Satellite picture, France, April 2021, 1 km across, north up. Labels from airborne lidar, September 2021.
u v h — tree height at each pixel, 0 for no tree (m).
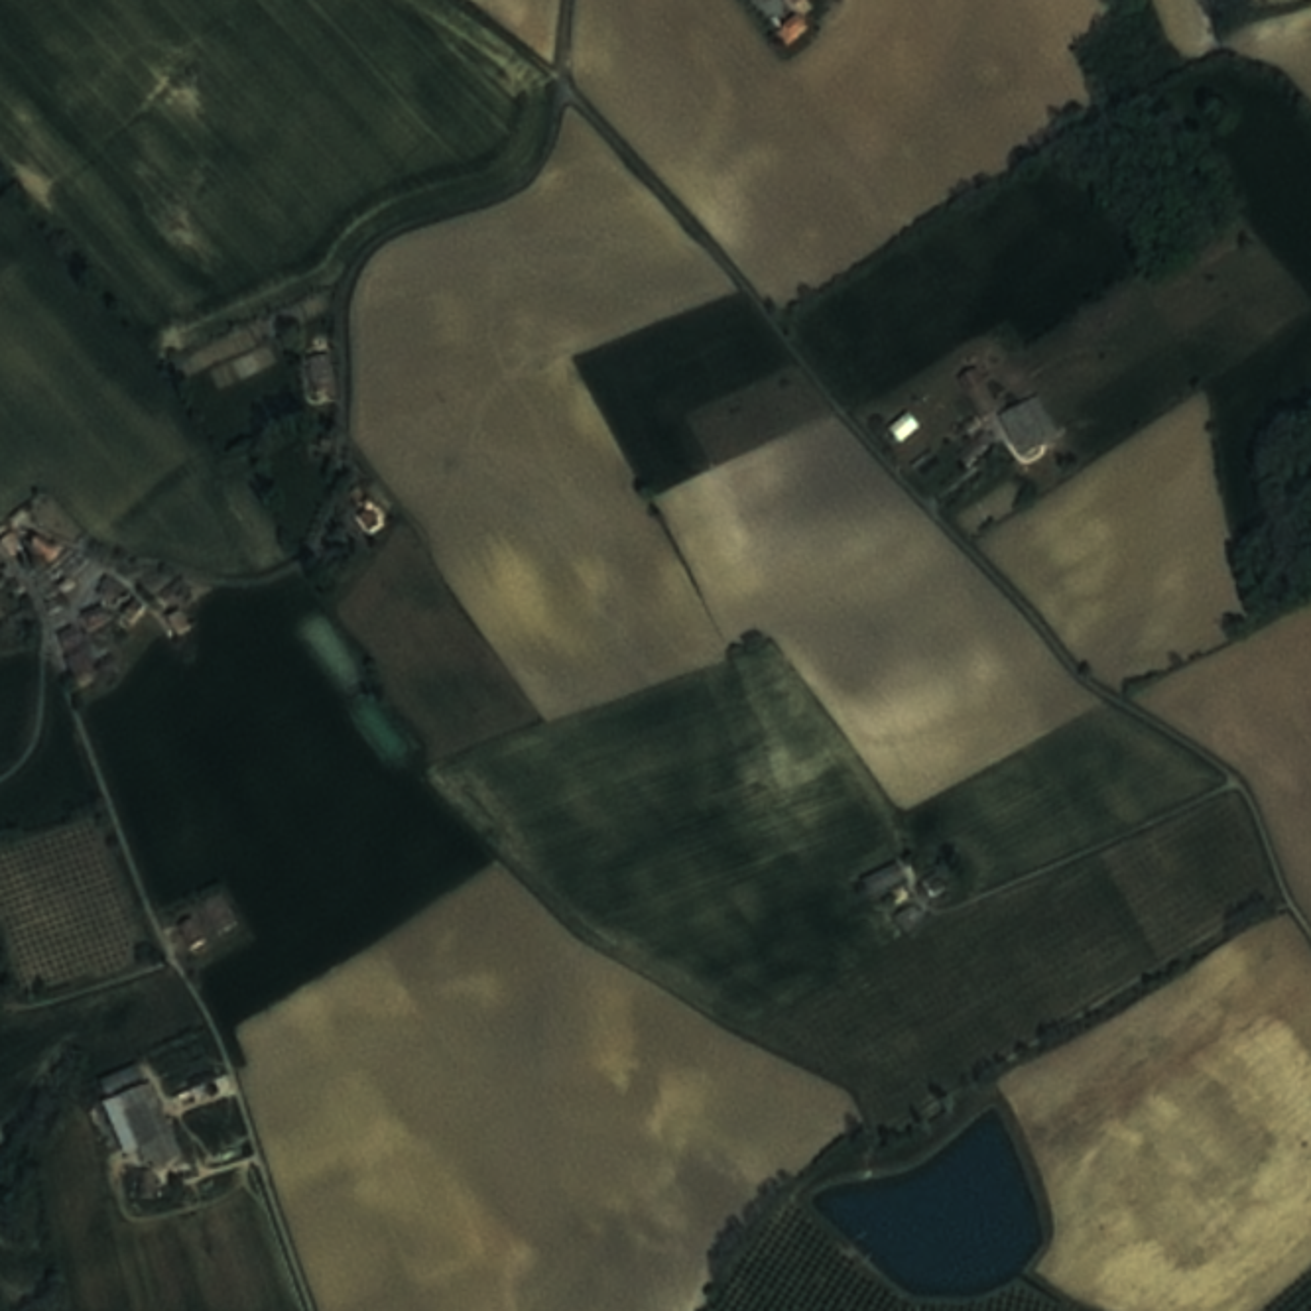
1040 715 0
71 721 0
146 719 0
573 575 0
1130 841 0
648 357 0
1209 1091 0
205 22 0
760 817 0
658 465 0
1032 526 0
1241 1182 0
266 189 0
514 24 0
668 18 0
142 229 0
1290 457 24
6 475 0
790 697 0
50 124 0
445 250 0
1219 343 0
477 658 0
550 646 0
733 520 0
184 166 0
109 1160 0
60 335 0
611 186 0
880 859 0
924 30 0
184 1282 0
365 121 0
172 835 0
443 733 0
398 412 0
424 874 0
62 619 0
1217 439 7
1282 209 0
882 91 0
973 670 0
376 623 0
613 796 0
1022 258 0
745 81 0
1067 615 0
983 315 0
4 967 12
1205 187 25
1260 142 0
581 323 0
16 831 11
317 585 25
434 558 0
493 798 0
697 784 0
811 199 0
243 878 0
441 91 0
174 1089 0
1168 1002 0
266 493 12
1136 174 27
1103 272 0
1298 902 0
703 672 0
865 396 0
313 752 0
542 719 0
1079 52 7
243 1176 0
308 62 0
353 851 0
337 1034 0
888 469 0
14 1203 12
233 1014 0
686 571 0
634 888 0
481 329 0
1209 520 0
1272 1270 0
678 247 0
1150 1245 0
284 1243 0
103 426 0
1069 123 17
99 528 0
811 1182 0
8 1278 0
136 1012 0
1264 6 10
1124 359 0
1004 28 0
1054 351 0
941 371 0
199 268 0
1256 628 8
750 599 0
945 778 0
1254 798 0
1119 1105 0
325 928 0
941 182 0
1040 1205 0
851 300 0
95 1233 0
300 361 10
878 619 0
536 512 0
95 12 0
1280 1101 0
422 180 0
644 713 0
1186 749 0
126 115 0
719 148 0
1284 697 0
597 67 0
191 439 0
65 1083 15
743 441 0
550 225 0
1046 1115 0
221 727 0
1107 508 0
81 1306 0
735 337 0
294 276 0
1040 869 0
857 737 0
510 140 0
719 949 0
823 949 0
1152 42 12
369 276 0
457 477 0
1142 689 8
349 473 9
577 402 0
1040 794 0
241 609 0
